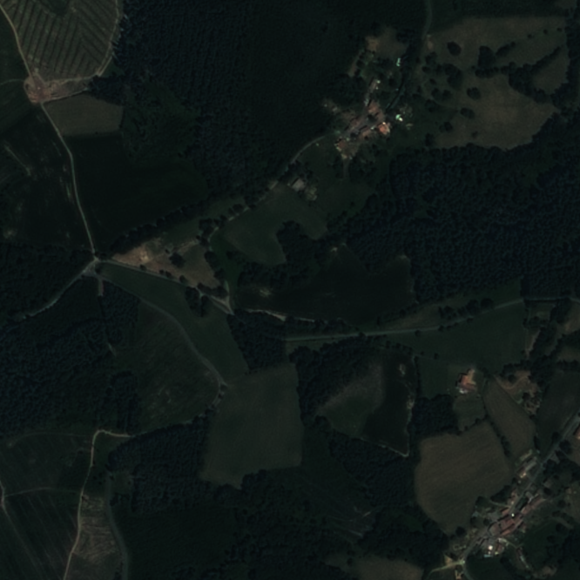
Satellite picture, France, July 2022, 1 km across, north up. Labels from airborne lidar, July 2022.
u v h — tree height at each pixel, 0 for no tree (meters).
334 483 0
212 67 21
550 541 13
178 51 22
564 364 17
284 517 11
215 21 21
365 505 0
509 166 26
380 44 0
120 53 17
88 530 0
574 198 33
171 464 28
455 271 36
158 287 0
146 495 20
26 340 21
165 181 0
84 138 0
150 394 0
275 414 0
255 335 28
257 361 26
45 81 0
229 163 34
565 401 0
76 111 0
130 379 23
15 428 36
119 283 0
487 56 20
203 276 0
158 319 0
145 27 29
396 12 7
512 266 35
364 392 0
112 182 0
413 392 0
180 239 0
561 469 18
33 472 0
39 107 0
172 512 7
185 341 0
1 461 0
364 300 0
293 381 0
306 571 31
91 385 15
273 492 17
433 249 38
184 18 15
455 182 27
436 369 0
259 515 7
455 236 31
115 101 15
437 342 0
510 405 0
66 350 27
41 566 0
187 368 0
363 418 0
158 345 0
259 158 8
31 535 0
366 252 26
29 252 18
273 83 7
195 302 11
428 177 29
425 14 6
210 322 0
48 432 0
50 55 0
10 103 0
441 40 0
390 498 27
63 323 11
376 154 7
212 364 0
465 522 0
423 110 0
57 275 12
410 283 0
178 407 0
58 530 0
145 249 0
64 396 21
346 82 16
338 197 0
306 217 0
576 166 32
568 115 24
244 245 0
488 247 35
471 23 0
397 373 0
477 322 0
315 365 17
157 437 26
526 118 0
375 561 0
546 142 23
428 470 0
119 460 33
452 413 6
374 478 22
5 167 0
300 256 20
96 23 0
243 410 0
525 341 0
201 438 25
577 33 15
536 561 0
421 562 12
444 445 0
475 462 0
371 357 13
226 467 0
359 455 23
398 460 22
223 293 18
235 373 0
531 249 33
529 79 18
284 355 21
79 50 0
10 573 0
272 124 6
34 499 0
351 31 6
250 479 20
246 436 0
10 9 0
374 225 10
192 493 19
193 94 24
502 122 0
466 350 0
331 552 19
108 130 0
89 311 11
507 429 0
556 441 13
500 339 0
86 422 9
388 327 0
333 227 18
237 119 20
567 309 12
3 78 0
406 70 13
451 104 0
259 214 0
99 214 0
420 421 28
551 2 14
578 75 25
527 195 23
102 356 15
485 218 26
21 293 20
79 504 0
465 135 0
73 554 0
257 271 25
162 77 23
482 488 0
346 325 21
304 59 6
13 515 0
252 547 14
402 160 13
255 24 6
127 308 22
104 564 0
